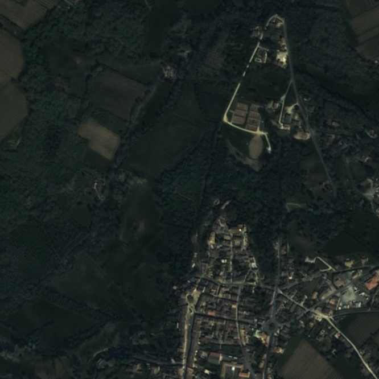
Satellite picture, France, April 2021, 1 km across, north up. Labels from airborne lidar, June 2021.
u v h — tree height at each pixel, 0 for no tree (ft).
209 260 0
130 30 94
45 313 0
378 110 0
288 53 0
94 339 0
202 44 82
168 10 0
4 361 0
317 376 0
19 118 0
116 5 63
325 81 0
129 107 0
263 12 32
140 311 0
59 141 33
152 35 0
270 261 76
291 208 0
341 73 52
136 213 0
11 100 0
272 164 93
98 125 0
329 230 43
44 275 55
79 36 65
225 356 0
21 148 50
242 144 0
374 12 0
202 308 0
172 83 49
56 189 59
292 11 57
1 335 0
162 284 52
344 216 55
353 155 49
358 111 70
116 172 86
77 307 43
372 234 26
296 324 29
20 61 0
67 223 45
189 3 0
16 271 51
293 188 63
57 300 63
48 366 0
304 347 0
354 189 0
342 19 41
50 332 0
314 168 0
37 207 25
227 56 41
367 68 55
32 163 74
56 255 66
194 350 0
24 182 84
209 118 29
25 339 24
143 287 0
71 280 0
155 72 0
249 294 18
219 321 0
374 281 0
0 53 0
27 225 19
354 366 38
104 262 34
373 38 0
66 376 0
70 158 55
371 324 0
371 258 0
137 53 66
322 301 0
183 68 78
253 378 0
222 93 0
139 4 32
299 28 47
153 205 0
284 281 19
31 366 0
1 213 78
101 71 19
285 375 0
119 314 0
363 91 20
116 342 60
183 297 0
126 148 58
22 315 0
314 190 0
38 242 26
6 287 50
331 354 24
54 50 0
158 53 0
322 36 24
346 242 0
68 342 27
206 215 27
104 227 81
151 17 0
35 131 62
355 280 0
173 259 25
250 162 0
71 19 22
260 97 0
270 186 70
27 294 63
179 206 24
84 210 0
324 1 66
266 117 92
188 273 38
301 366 0
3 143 0
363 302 0
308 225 41
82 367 87
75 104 82
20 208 79
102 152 0
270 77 0
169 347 34
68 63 0
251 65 29
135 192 0
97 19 77
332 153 53
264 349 25
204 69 105
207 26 100
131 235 0
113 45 85
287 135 0
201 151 20
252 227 28
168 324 26
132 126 35
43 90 30
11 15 0
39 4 0
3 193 80
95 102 0
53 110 79
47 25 51
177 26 74
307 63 41
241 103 0
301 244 0
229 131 0
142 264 0
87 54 51
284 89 0
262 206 45
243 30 55
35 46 70
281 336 29
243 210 25
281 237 63
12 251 82
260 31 27
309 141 0
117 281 0
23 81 63
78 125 69
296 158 87
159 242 0
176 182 51
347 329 0
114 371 26
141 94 0
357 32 0
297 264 20
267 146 0
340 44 58
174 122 35
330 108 72
